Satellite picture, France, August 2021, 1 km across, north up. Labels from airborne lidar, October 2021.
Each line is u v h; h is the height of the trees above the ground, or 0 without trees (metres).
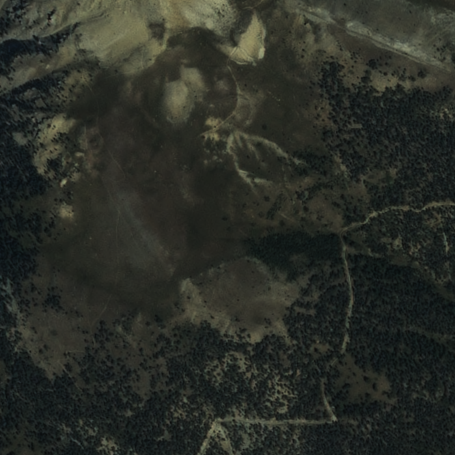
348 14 0
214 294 0
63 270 0
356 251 0
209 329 8
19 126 7
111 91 0
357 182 10
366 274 14
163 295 0
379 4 0
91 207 0
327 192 0
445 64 0
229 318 0
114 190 0
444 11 0
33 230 9
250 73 0
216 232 0
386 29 0
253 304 0
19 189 9
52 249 0
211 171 0
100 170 0
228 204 0
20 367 13
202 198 0
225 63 0
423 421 12
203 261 0
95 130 0
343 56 0
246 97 0
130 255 0
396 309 7
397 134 7
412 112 11
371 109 12
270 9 0
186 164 0
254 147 0
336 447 12
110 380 7
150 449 10
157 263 0
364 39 0
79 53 0
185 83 0
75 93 0
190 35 0
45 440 15
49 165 6
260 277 0
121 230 0
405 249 11
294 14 0
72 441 7
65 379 7
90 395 9
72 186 0
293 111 0
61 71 0
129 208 0
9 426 16
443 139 15
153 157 0
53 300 7
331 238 8
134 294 0
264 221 0
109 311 0
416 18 0
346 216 8
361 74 0
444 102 9
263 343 11
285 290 0
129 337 0
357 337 14
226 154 0
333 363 0
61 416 9
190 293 0
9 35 0
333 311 10
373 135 6
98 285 0
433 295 9
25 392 9
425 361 18
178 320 0
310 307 16
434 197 6
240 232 0
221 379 0
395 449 11
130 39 0
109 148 0
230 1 0
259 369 10
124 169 0
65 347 0
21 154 11
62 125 0
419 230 8
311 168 6
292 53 0
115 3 0
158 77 0
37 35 0
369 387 0
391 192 13
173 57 0
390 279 9
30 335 0
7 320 9
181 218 0
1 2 0
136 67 0
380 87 0
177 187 0
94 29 0
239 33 0
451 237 10
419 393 13
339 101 8
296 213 0
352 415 13
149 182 0
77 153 0
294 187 0
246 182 0
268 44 0
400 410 14
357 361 11
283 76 0
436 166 16
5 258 9
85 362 6
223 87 0
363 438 7
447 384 16
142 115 0
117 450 8
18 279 7
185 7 0
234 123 0
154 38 0
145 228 0
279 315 0
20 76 0
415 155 7
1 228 12
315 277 11
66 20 0
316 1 0
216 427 0
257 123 0
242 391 8
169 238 0
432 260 9
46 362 0
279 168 0
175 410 8
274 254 7
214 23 0
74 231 0
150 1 0
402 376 14
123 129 0
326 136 11
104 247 0
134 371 6
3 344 9
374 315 15
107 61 0
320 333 7
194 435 10
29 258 10
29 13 0
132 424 12
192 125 0
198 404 10
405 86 0
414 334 6
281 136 0
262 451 12
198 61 0
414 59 0
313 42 0
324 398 0
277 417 11
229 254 0
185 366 11
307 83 0
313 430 11
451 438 13
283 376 8
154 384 6
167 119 0
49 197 0
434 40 0
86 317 0
